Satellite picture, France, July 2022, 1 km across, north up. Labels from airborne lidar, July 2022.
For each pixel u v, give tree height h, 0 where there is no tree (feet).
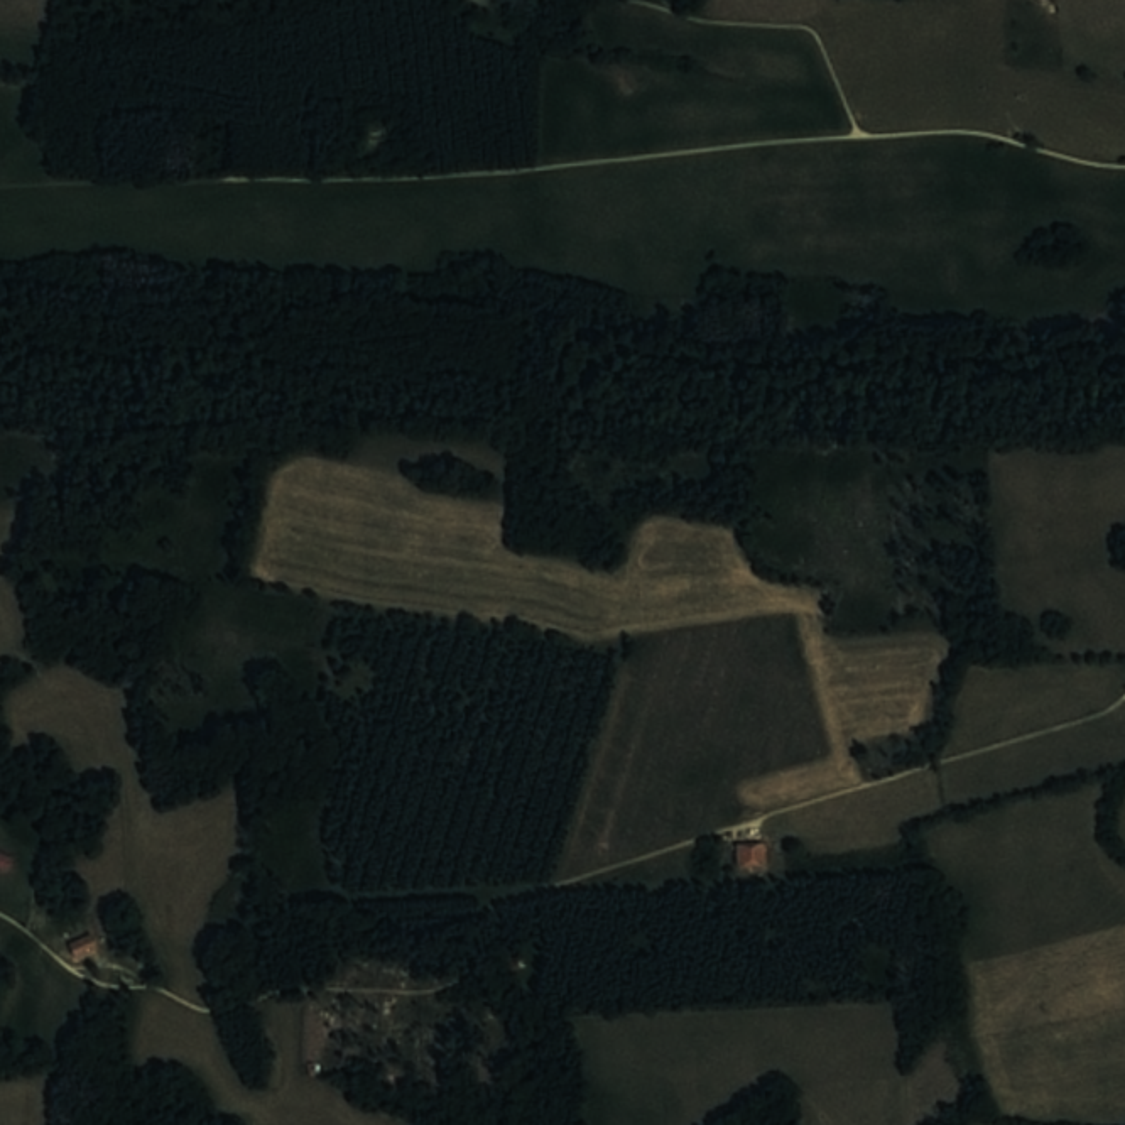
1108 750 0
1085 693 0
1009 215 0
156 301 91
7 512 0
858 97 0
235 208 0
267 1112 0
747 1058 0
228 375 46
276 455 63
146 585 105
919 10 0
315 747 104
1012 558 0
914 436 59
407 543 0
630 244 0
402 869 41
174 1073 58
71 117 54
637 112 0
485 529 0
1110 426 64
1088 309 0
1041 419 73
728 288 33
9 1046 82
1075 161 0
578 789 50
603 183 0
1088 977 0
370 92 37
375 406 43
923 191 0
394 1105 52
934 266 0
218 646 0
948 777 0
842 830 0
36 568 90
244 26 59
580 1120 43
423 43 58
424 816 51
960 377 101
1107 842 54
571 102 0
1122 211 0
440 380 70
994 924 0
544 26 46
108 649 80
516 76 56
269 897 68
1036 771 0
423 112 58
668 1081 0
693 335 70
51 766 92
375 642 46
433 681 45
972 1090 72
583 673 42
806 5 0
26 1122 0
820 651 0
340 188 0
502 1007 92
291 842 0
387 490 0
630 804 0
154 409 64
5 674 29
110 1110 30
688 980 70
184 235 0
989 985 0
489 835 50
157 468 69
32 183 0
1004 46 0
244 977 94
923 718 0
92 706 0
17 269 47
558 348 99
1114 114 0
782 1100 77
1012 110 0
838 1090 0
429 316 59
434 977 98
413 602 0
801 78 0
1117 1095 0
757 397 87
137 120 82
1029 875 0
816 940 71
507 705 43
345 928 104
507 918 70
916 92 0
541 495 43
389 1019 0
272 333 81
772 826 0
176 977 0
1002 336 104
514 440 80
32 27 0
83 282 60
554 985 66
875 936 65
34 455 0
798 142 0
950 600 87
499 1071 90
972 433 63
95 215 0
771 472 0
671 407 72
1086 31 0
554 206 0
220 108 73
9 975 82
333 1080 24
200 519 0
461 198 0
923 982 67
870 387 82
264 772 91
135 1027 0
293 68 57
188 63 62
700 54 0
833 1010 0
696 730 0
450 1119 55
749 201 0
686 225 0
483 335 53
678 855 0
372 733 44
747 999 57
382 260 0
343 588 0
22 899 0
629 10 0
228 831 0
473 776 55
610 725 0
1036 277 0
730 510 75
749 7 0
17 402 41
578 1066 56
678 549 0
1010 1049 0
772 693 0
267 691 102
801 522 0
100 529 107
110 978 0
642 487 45
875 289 35
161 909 0
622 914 57
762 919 77
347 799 51
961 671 43
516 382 60
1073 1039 0
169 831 0
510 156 57
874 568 0
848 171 0
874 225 0
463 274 91
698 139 0
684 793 0
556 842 51
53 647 51
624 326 38
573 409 66
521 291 75
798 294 0
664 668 0
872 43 0
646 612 0
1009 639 61
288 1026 0
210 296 64
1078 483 0
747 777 0
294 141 58
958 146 0
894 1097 0
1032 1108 0
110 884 0
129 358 29
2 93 0
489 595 0
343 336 47
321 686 23
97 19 85
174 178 72
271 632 0
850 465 0
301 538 0
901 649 0
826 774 0
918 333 92
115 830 0
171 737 94
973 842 0
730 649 0
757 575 45
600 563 52
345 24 50
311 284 71
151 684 81
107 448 95
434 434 73
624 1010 54
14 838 0
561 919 67
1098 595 0
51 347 65
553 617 0
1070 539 0
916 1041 53
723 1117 65
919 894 64
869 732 0
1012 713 0
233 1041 61
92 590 75
